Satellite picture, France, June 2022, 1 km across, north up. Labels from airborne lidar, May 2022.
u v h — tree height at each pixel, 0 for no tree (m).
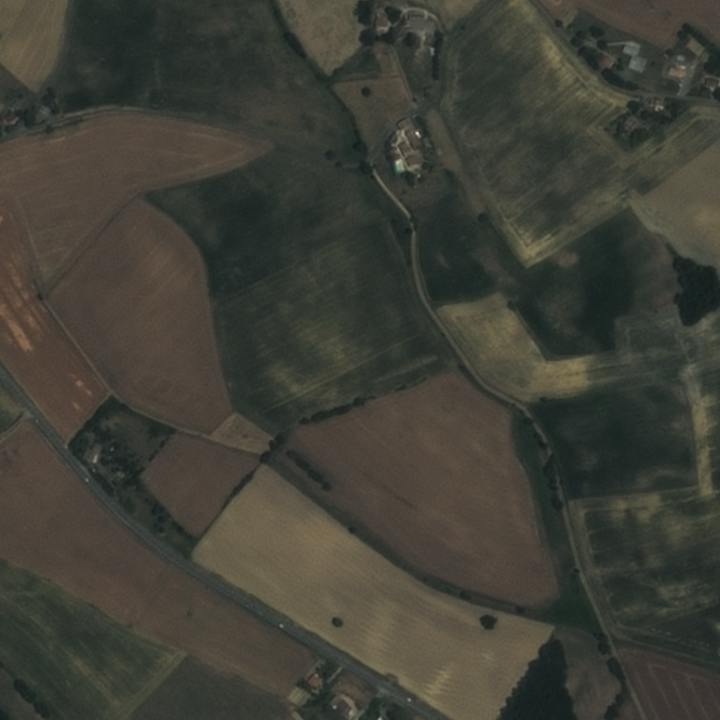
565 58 0
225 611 0
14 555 0
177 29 0
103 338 0
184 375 0
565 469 0
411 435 0
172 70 0
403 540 0
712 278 12
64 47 0
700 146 0
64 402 0
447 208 0
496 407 0
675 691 0
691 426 0
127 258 0
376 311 0
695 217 0
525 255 0
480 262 0
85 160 0
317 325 0
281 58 0
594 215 0
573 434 0
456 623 0
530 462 0
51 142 0
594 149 0
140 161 0
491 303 0
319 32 0
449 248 0
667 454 0
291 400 0
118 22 0
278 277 0
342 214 0
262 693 0
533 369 0
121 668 0
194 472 0
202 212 0
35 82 0
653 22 0
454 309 0
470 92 0
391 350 0
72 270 0
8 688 0
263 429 0
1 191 0
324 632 0
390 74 0
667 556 0
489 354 0
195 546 0
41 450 0
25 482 0
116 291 0
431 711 0
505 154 0
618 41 0
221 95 0
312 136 0
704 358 0
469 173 0
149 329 0
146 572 0
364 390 0
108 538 0
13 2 0
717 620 0
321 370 0
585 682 0
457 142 0
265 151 0
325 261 0
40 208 0
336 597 0
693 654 0
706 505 0
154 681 0
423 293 0
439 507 0
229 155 0
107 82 0
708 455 0
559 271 0
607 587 0
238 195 0
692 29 7
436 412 0
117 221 0
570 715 14
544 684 14
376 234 0
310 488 0
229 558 0
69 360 0
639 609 0
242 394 0
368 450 0
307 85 0
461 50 0
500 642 0
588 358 0
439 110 0
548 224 0
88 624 0
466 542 0
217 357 0
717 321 0
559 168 0
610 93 0
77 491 0
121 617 0
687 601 0
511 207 0
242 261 0
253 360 0
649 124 0
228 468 0
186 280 0
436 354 0
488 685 0
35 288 0
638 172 0
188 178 0
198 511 0
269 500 0
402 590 0
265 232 0
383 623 0
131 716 0
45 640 0
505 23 0
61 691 0
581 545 0
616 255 0
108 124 0
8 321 0
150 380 0
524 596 0
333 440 0
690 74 0
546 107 0
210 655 0
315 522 0
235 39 0
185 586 0
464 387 0
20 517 0
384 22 0
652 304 0
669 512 0
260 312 0
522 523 0
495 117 0
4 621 0
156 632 0
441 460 0
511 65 0
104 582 0
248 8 0
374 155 0
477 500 0
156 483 0
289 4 0
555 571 0
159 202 0
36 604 0
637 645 0
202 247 0
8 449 0
